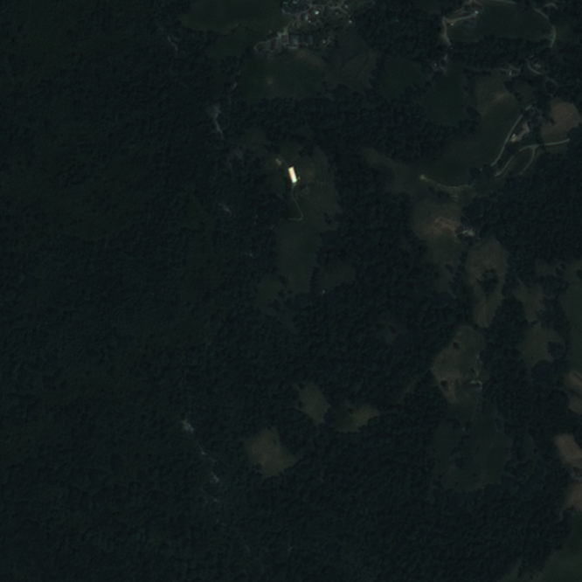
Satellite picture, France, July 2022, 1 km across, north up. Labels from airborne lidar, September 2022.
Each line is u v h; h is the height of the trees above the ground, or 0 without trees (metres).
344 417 0
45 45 11
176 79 13
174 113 12
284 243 0
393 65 0
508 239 26
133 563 27
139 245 11
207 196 14
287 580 8
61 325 10
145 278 11
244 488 9
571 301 0
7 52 10
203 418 22
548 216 17
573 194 24
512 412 23
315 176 0
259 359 15
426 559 18
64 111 10
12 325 16
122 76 9
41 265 24
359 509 27
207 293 7
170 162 18
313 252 0
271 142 10
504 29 0
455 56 18
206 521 10
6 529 28
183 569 26
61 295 12
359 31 9
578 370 0
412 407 20
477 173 19
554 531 22
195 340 10
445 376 0
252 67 0
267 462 0
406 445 21
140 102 10
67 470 9
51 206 11
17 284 19
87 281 9
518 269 17
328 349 13
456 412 0
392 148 18
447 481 0
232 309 9
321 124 18
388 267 15
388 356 6
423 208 0
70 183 9
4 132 25
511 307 24
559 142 0
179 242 11
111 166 10
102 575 29
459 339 0
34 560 24
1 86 11
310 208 0
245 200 27
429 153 26
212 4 0
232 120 9
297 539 14
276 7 0
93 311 10
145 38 9
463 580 13
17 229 19
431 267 10
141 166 11
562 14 7
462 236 15
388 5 16
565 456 0
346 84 0
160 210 15
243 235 17
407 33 13
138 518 13
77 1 10
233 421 8
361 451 29
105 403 10
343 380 29
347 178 6
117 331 10
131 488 9
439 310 16
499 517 24
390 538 24
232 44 0
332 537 9
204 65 13
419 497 11
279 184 0
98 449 11
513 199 19
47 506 24
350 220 8
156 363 9
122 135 9
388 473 8
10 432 10
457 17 0
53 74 11
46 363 25
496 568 20
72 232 8
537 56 9
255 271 14
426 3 0
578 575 0
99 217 9
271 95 0
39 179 9
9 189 8
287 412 9
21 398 22
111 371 21
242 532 8
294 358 15
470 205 0
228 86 16
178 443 9
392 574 22
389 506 9
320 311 18
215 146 21
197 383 29
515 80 13
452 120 0
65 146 16
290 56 6
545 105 20
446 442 0
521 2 21
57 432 8
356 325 19
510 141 0
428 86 14
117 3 11
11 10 10
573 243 20
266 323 11
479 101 0
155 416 20
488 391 7
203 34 15
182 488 21
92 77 9
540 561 10
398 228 7
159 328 9
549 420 28
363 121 14
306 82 0
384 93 0
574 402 0
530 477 7
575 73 11
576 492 0
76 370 9
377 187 14
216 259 7
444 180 0
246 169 11
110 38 10
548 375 30
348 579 9
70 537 21
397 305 33
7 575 27
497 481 0
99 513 24
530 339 0
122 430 9
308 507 10
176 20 11
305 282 0
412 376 19
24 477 24
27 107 11
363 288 19
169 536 9
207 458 6
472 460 0
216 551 9
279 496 25
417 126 35
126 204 10
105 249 14
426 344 21
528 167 0
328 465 17
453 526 17
